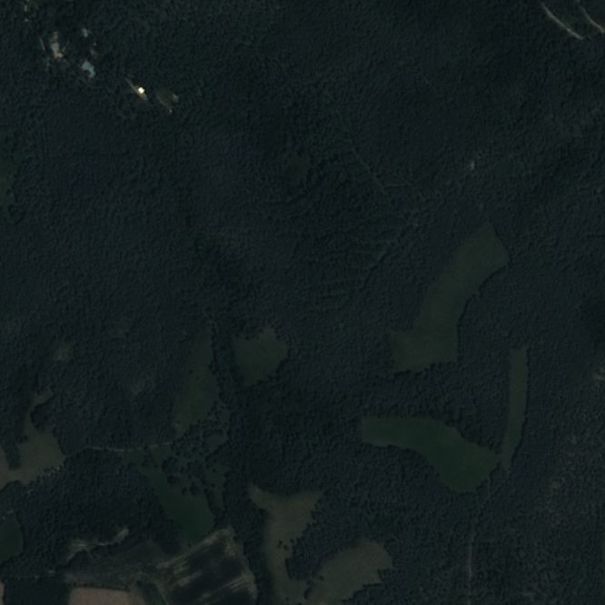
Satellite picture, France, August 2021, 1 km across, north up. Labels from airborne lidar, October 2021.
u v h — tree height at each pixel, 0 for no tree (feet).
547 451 46
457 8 43
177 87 62
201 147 35
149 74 64
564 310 43
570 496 30
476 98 45
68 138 50
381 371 58
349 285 51
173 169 53
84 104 41
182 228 37
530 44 61
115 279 39
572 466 39
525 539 39
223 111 43
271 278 37
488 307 34
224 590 0
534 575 45
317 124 41
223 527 52
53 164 35
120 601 0
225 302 63
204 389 0
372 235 53
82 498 57
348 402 58
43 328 45
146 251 33
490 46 43
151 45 63
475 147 35
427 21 50
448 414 48
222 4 36
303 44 32
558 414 34
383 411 51
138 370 34
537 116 49
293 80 73
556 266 37
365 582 0
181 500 0
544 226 40
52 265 41
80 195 55
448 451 0
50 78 31
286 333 38
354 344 32
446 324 0
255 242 32
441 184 24
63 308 45
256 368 0
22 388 51
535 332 43
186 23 59
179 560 0
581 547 59
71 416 45
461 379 31
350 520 35
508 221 46
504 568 44
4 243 39
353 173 61
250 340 31
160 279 46
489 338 30
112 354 48
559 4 47
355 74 44
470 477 0
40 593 34
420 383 47
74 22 76
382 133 45
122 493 44
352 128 30
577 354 50
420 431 0
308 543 34
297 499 0
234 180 32
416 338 0
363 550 0
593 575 46
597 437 32
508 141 45
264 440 44
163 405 48
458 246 36
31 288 33
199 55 69
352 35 39
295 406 21
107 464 36
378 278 52
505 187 45
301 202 86
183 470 37
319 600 0
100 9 34
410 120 46
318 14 40
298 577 24
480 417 50
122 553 31
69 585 25
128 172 47
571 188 38
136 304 41
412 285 42
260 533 63
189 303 52
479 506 39
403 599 35
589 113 35
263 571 73
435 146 48
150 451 34
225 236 19
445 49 37
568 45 46
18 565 46
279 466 50
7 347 41
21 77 49
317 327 46
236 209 38
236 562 0
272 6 26
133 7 49
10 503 26
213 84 52
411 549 39
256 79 43
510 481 23
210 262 54
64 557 45
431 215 40
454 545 47
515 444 0
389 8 45
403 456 47
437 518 42
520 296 26
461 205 44
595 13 50
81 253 27
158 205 31
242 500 58
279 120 67
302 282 59
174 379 43
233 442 56
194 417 0
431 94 60
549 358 37
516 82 35
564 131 39
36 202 49
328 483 55
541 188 51
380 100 41
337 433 55
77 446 44
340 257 76
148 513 60
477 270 0
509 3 60
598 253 52
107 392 41
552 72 36
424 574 43
